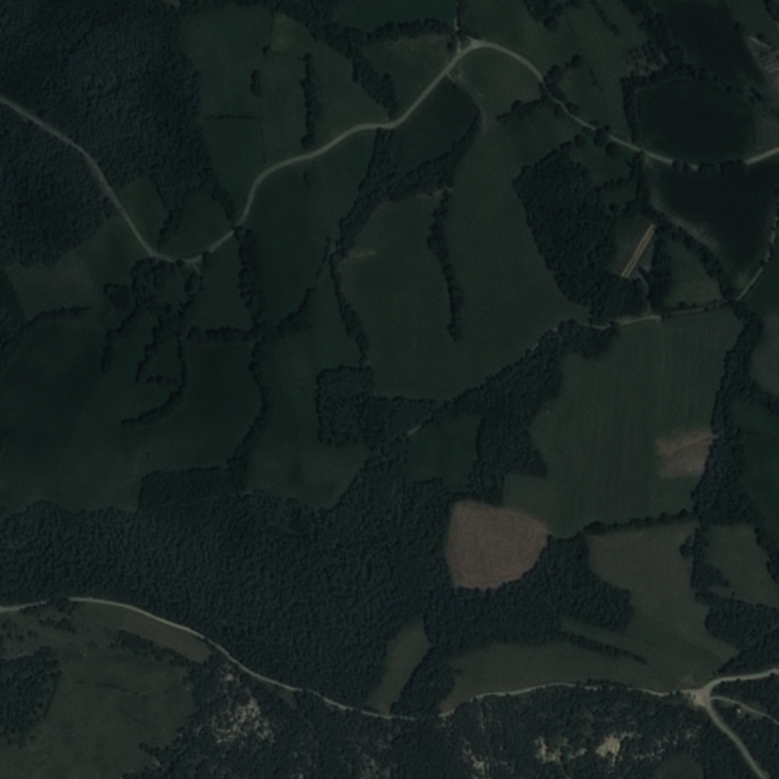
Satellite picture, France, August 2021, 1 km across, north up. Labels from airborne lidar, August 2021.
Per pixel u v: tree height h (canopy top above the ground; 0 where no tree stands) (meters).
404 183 12
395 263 0
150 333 0
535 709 7
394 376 0
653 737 7
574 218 20
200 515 10
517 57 0
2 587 10
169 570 8
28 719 8
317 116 12
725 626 13
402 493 7
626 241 0
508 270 0
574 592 14
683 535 0
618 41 0
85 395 0
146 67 13
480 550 0
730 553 0
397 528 12
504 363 0
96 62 12
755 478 0
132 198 0
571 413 0
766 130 0
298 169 0
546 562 8
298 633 9
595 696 7
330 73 0
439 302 0
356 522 15
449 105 0
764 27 0
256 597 9
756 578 0
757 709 0
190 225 0
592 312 7
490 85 0
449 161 13
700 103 0
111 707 0
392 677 0
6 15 13
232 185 0
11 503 0
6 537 8
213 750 7
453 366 0
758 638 12
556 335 12
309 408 0
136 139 12
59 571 14
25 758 0
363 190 12
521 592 11
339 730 7
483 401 17
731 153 0
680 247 0
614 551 0
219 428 0
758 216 0
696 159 0
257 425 13
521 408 15
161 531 6
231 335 20
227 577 11
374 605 8
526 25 0
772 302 0
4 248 16
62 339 0
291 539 15
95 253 0
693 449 0
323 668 7
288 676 8
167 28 17
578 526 0
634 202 11
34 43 13
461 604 10
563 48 0
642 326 0
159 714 0
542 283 0
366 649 13
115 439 0
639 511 0
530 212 13
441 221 16
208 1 13
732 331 0
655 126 0
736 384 16
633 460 0
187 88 15
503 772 6
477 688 0
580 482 0
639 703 10
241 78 0
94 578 13
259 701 7
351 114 0
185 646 0
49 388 0
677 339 0
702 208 0
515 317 0
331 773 12
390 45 0
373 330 0
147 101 12
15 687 8
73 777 0
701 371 0
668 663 0
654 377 0
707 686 0
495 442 14
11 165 13
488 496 7
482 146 0
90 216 13
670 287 20
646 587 0
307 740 7
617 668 0
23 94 11
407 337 0
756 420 0
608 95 0
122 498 0
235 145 0
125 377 0
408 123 0
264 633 10
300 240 0
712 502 10
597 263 18
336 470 0
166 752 9
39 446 0
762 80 0
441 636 13
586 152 0
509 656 0
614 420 0
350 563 12
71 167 16
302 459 0
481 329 0
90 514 6
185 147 16
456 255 0
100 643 0
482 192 0
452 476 0
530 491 0
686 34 0
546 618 8
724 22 0
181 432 0
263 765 7
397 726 6
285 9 15
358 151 0
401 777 11
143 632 0
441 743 10
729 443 12
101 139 13
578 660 0
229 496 8
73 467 0
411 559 11
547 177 19
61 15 17
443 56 0
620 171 0
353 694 8
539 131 0
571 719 7
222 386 0
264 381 13
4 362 16
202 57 0
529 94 0
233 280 0
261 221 0
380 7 0
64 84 11
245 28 0
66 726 0
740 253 0
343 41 20
